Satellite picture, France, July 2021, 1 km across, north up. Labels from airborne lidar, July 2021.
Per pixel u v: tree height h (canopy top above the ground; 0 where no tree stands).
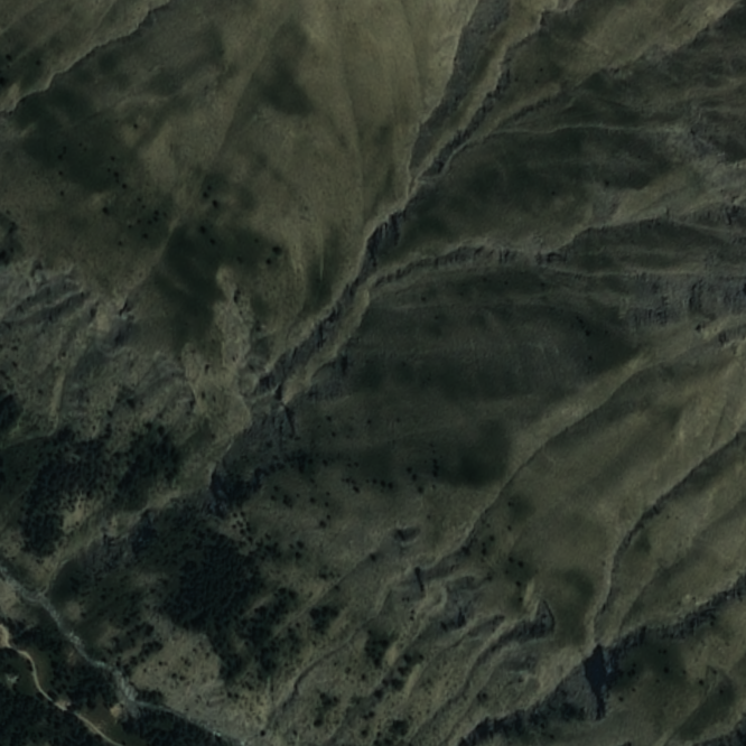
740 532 0
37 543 17
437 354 0
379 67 0
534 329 0
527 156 0
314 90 0
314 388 0
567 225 0
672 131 0
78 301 0
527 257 0
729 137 0
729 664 0
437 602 0
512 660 0
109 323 0
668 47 0
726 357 0
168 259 0
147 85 0
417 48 0
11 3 0
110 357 0
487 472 0
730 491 0
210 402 0
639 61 0
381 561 0
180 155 0
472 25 0
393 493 0
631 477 0
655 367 0
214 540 12
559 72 0
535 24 0
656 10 0
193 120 0
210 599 22
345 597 0
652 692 0
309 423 0
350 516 0
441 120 0
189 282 0
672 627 0
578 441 0
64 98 0
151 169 0
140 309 0
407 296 0
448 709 0
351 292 0
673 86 0
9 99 0
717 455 0
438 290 0
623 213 0
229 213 0
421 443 0
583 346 0
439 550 0
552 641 0
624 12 0
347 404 0
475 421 0
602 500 0
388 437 0
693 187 0
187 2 0
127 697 0
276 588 0
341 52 0
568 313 0
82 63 0
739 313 0
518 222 0
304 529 0
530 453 0
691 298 0
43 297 0
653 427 0
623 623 0
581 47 0
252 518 0
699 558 0
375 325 0
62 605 0
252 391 0
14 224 9
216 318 0
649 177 0
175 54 0
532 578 0
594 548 0
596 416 0
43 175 0
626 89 0
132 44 0
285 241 0
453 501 0
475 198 0
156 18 0
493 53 0
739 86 0
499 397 0
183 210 0
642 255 0
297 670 0
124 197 0
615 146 0
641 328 0
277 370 0
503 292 0
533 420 0
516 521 0
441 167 0
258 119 0
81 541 0
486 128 0
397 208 0
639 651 0
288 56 0
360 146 0
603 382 0
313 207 0
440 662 0
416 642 0
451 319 0
